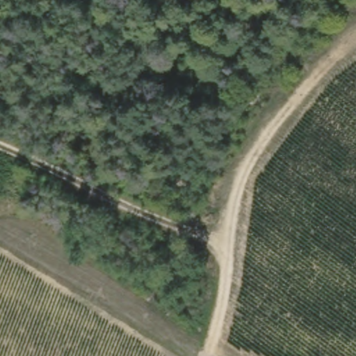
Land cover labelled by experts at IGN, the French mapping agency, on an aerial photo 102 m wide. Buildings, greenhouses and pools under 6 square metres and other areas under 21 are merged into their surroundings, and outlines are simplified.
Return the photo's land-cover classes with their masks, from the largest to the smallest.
<instances>
[{"label":"coniferous trees","instance_id":"1","mask_svg":"<svg viewBox=\"0 0 356 356\"><path fill-rule=\"evenodd\" d=\"M346 7H356V0H0V140L13 143L18 147V153L28 157L36 167L42 163L46 167L54 168L63 174V179H67V175H72L74 179L81 177L82 182H86L90 188L108 184V196L117 202L120 197H124L140 204L146 210L154 203L153 193L143 192L150 179L165 178L164 184L177 192L179 186L185 185L184 181L191 182L193 191H197L200 185H206L211 191L216 179L224 177L225 172H231L235 177L236 168L256 142L261 129L273 120L277 111L291 96L288 92H282L278 86L284 74H293L298 70L293 65L289 67L286 64V54H310V50L293 46L295 36L298 33L299 36L314 35L317 28L310 26L317 17H348ZM46 177L35 174L32 178L25 179L24 193L19 197V202H25L46 218H57L60 221L61 228L57 235L64 242V257H70L72 264L81 266L88 263L90 267L99 268L117 281L122 288L129 289L139 298L149 299V296H153L147 303L149 313L160 316L170 328L181 325L191 337L204 343L216 307L220 264L214 254H211L206 242L192 236L206 228L209 234L216 231L221 213L203 218L195 216L191 220L178 222L179 231L174 232L161 227L157 222L133 216L127 211H121V218L118 220L117 217L108 216L106 207L88 197H74L71 193H63L56 184H49L44 188Z\"/></svg>","mask_w":356,"mask_h":356},{"label":"vineyard","instance_id":"2","mask_svg":"<svg viewBox=\"0 0 356 356\"><path fill-rule=\"evenodd\" d=\"M228 342L235 348L248 352L252 350L263 356H356V61L331 79L324 92L317 97L316 102L306 111L302 120L289 133L280 149L264 167V171H261L254 181L241 292L236 302L234 320L229 328ZM0 356H177L159 343L133 330L124 321L111 316L102 307L82 298L67 286L61 285L54 278L18 259L15 254L0 246Z\"/></svg>","mask_w":356,"mask_h":356},{"label":"herbaceous vegetation","instance_id":"3","mask_svg":"<svg viewBox=\"0 0 356 356\"><path fill-rule=\"evenodd\" d=\"M348 17H342L345 28L332 35L334 42H337L356 24V7H346ZM356 61V47L338 60L328 74L307 93L302 103L275 133L250 171L236 222L234 270L222 335L216 349L217 356H263L252 350L248 352L235 348L228 342L229 328L234 320L236 302L241 292L254 181L261 171H264V167L280 149L289 133L302 120L306 111L316 102L317 97L324 92L331 79ZM61 228L60 221L57 218H46L25 202H19L14 203L11 200L8 204H0V246L15 254L18 259L54 278L61 285L67 286L82 298L102 307L111 316L124 321L133 330L159 343L177 356H197L204 343L191 337L181 325L170 328L160 316L149 313L147 303L153 296H149V299L139 298L129 289L122 288L117 281L99 268L90 267L88 263L81 266L72 264L70 257H64V242L57 235Z\"/></svg>","mask_w":356,"mask_h":356},{"label":"pervious surface","instance_id":"4","mask_svg":"<svg viewBox=\"0 0 356 356\"><path fill-rule=\"evenodd\" d=\"M356 47V24L337 42V47L323 60L318 61L313 72L300 83L291 96L277 111L273 120L261 129L256 142L236 168L235 177L227 207L221 213L216 231L209 234L206 228L192 236L206 242L211 254H214L220 264L216 307L204 343L197 356H217L216 349L222 335L234 270L236 222L250 171L275 133L302 103L307 93L328 74L338 60ZM0 152L15 156L14 163L18 167L35 174L46 177L44 188L49 184H56L63 193H71L74 197H88L106 207L108 216L117 217L118 220L121 218V211H127L133 216L157 222L161 227L174 232L179 231L178 222L167 216L154 217L152 211L146 210L140 204L124 197H120L117 202L108 196V184L90 188L86 182H82L81 177L74 179L72 175H67V179H63V174L54 168L46 167L42 163L36 167L28 157L18 153V147L13 143L0 140Z\"/></svg>","mask_w":356,"mask_h":356},{"label":"deciduous trees","instance_id":"5","mask_svg":"<svg viewBox=\"0 0 356 356\"><path fill-rule=\"evenodd\" d=\"M317 28L314 35L299 36L298 33L295 36L293 46L310 50V54H286V64L289 67L293 65L298 70L293 74H284L278 86L282 92H288L291 96L300 83L313 72L318 61L323 60L337 47V42H334L332 35L345 28L342 17H317L310 26ZM235 177L231 172H225L224 177L216 179L211 191L206 185H200L197 191H193L191 182L184 181L185 185L179 186L177 192L164 184L165 178L150 179L143 192L153 193L154 203L146 210L152 211L154 217L167 216L178 222L191 220L195 216L203 218L221 213L227 207Z\"/></svg>","mask_w":356,"mask_h":356},{"label":"brushwood","instance_id":"6","mask_svg":"<svg viewBox=\"0 0 356 356\"><path fill-rule=\"evenodd\" d=\"M15 156L0 152V204H8L11 200L14 203L19 202V197L24 193L25 179L32 178L35 174L18 167L14 163Z\"/></svg>","mask_w":356,"mask_h":356}]
</instances>
